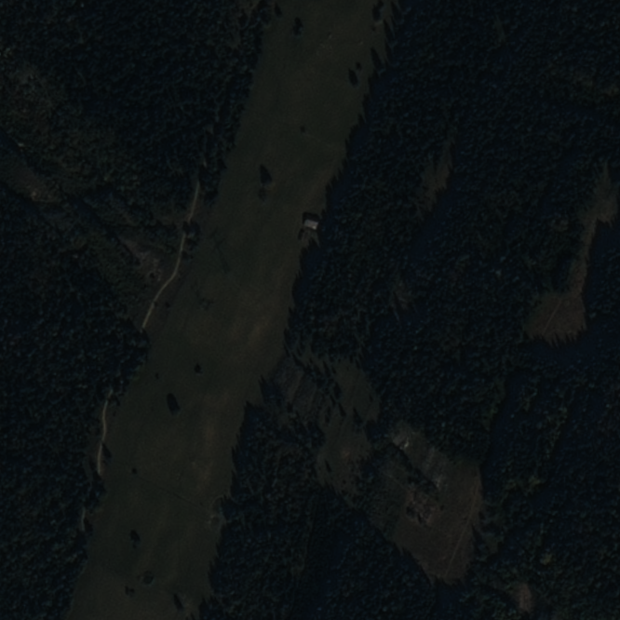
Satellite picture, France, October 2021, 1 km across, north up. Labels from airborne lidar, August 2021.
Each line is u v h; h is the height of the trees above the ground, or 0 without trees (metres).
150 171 16
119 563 0
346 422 0
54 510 28
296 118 0
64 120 8
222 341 0
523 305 17
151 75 25
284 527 25
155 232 13
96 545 0
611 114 8
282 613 12
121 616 0
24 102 10
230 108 14
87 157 10
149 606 0
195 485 0
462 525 0
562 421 15
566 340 0
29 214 16
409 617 29
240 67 20
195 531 0
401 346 25
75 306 9
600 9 21
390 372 25
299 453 16
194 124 15
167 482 0
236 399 0
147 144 24
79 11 17
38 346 16
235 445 0
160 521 0
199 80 17
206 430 0
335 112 0
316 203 0
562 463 33
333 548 7
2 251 20
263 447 20
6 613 16
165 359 0
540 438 27
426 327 20
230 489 0
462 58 20
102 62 27
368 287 11
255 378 0
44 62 10
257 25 8
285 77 0
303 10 0
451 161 0
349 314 9
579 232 12
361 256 11
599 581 25
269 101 0
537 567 11
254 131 0
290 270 0
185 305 0
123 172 8
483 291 18
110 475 0
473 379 21
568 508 24
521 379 7
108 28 27
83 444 10
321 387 10
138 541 12
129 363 8
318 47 0
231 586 13
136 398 0
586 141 24
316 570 7
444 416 17
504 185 16
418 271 28
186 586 0
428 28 25
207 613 11
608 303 32
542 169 30
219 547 0
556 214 24
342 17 0
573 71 25
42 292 10
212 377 0
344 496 7
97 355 24
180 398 0
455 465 6
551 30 24
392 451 11
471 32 21
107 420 0
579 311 0
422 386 19
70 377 21
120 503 0
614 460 22
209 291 0
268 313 0
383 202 9
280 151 0
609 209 0
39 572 12
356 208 11
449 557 0
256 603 12
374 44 0
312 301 11
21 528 12
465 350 8
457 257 26
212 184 12
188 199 12
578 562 23
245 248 0
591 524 21
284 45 0
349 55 0
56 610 14
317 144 0
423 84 17
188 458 0
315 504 8
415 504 9
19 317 15
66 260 18
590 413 24
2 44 49
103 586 0
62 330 23
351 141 0
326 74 0
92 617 0
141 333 0
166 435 0
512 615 13
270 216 0
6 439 10
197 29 13
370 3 0
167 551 0
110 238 15
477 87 12
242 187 0
